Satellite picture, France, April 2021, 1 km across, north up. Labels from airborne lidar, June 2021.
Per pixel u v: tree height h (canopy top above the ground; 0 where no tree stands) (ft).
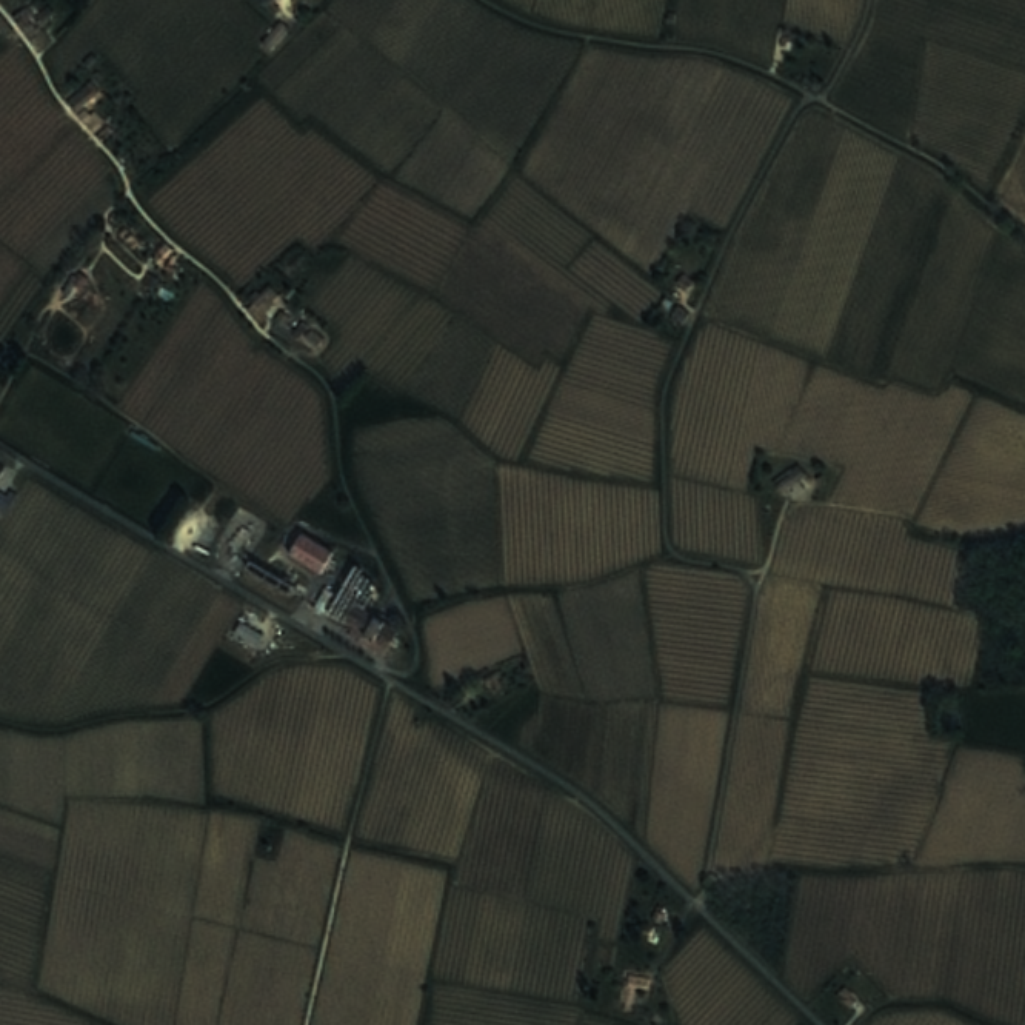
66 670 0
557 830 0
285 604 0
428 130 0
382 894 0
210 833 0
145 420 0
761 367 0
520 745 0
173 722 0
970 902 0
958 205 0
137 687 0
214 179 0
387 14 0
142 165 20
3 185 0
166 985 0
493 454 0
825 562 0
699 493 0
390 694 0
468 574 0
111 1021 0
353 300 0
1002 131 0
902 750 0
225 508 0
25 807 0
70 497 0
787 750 0
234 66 0
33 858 0
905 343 0
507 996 0
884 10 0
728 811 0
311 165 0
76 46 0
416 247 0
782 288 0
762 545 0
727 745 0
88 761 0
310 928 0
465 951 0
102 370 40
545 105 0
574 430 0
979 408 0
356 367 0
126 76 0
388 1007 0
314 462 0
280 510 0
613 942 0
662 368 0
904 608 0
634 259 0
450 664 0
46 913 0
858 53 0
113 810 0
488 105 0
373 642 0
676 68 0
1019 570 82
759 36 0
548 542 0
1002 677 60
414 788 0
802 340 0
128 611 0
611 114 0
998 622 73
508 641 0
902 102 0
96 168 0
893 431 0
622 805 0
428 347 0
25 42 0
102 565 0
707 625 0
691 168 0
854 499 0
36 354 0
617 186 0
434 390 0
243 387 0
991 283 0
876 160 0
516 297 0
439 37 0
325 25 0
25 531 0
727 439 0
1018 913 0
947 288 0
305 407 0
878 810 0
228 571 0
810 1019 0
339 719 0
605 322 0
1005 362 0
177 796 0
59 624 0
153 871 0
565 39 0
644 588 0
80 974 0
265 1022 0
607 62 0
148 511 0
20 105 0
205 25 0
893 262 0
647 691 0
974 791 0
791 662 0
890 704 0
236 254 0
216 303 0
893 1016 0
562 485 0
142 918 0
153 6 0
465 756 0
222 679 0
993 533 0
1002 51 0
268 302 0
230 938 0
